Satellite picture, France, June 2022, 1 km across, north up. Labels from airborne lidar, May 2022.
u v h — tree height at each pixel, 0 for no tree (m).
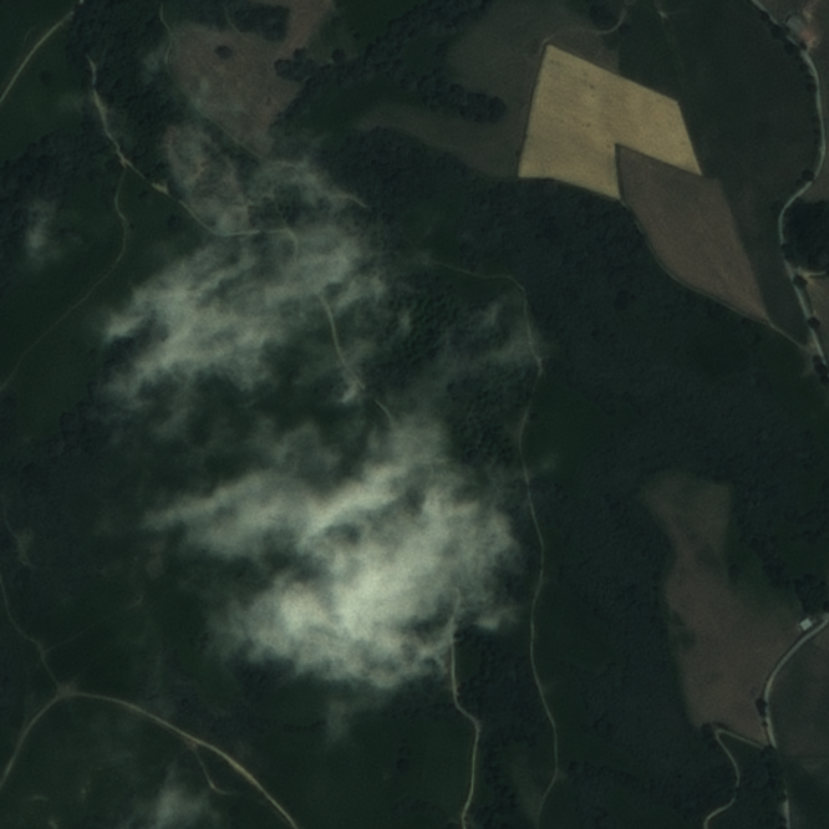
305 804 0
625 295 14
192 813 0
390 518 0
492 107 10
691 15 0
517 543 10
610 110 0
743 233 0
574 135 0
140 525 0
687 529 0
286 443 0
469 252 9
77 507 0
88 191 0
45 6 0
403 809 7
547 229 12
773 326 0
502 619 0
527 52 0
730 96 0
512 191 9
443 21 15
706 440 8
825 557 0
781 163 0
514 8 0
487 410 8
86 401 6
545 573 0
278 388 0
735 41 0
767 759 13
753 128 0
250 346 0
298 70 16
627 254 17
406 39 12
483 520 0
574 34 0
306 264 6
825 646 0
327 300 0
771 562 14
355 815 0
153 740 0
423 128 0
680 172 0
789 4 0
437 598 0
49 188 8
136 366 7
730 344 0
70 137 6
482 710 8
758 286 0
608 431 0
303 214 19
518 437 0
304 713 0
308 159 10
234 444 0
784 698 0
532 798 0
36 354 0
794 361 0
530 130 0
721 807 7
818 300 0
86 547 0
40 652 0
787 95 0
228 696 0
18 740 0
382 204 10
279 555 0
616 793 0
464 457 7
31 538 0
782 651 0
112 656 0
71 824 0
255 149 0
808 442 6
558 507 7
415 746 0
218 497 0
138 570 0
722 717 0
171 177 12
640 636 7
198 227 0
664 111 0
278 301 0
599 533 6
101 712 0
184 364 0
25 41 0
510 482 10
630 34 9
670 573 0
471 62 0
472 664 0
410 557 0
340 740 0
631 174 0
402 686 6
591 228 10
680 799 13
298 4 0
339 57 15
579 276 15
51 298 0
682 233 0
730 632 0
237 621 0
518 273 5
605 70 0
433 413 0
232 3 8
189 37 0
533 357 6
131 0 24
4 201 22
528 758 0
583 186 0
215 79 0
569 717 0
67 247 0
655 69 0
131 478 0
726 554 0
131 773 0
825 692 0
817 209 10
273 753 0
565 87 0
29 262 0
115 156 9
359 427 0
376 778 0
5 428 8
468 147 0
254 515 0
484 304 8
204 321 0
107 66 18
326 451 0
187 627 0
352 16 0
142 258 0
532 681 7
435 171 9
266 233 8
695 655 0
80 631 0
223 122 0
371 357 0
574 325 6
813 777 0
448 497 9
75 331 0
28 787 0
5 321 0
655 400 8
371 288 8
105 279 0
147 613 0
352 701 0
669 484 0
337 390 7
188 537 0
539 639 0
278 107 0
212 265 7
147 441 0
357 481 0
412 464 0
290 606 0
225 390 0
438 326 8
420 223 0
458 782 0
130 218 0
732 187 0
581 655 0
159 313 15
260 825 0
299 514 0
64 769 0
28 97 0
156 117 23
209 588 0
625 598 9
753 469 9
